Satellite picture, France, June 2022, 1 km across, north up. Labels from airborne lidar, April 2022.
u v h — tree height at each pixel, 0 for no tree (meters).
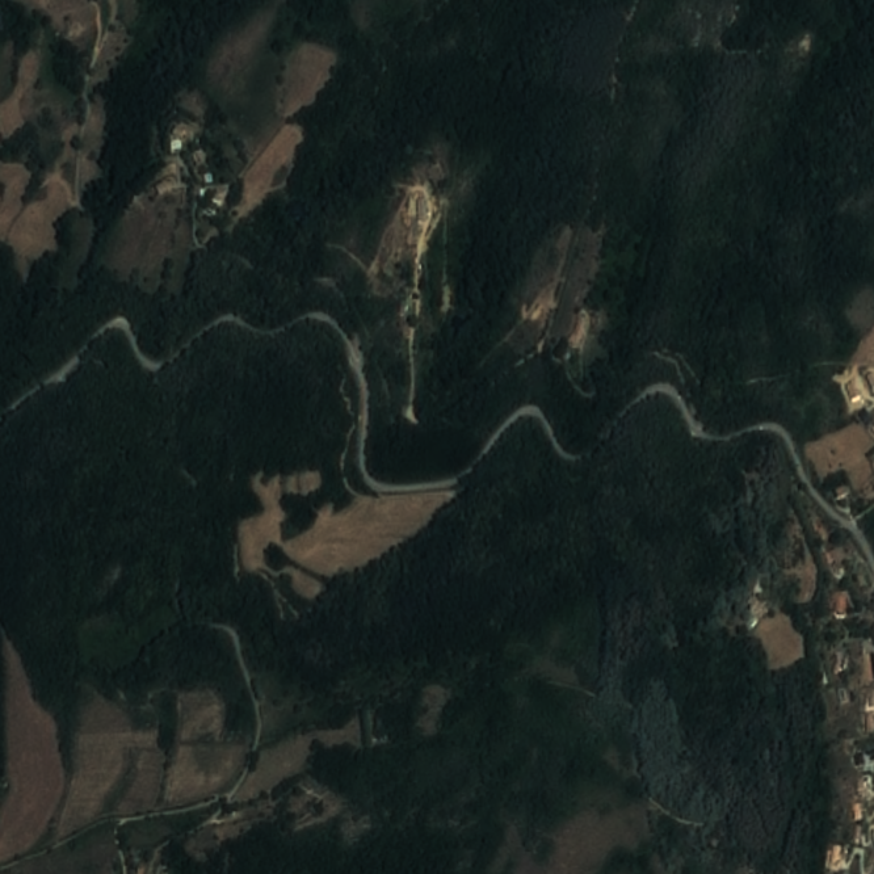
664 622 7
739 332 7
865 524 9
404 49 12
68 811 0
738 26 9
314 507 7
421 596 11
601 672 11
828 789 7
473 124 12
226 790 0
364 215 0
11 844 0
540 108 12
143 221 0
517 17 16
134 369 19
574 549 16
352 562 0
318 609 14
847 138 8
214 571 13
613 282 11
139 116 10
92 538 13
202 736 0
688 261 8
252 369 17
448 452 10
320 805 8
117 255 0
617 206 7
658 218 14
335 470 6
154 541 15
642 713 19
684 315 9
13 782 0
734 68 8
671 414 9
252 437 8
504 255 11
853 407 0
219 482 10
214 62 0
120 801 0
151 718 0
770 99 7
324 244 8
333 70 10
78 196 0
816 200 12
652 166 8
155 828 0
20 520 15
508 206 15
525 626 8
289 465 13
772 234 13
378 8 0
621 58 7
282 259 16
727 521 13
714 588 11
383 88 8
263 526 0
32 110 0
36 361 15
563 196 12
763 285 7
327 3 17
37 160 12
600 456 16
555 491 15
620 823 0
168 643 10
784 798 18
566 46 17
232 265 12
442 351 15
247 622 10
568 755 6
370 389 8
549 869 0
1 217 0
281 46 11
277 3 0
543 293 0
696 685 10
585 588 10
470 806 9
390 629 12
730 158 9
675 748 16
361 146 17
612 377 14
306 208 9
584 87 16
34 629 7
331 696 5
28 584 10
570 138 10
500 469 10
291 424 13
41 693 7
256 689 11
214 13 14
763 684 12
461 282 8
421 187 0
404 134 15
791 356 7
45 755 0
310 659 9
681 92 11
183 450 10
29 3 0
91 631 0
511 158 16
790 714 17
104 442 22
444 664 8
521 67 6
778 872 9
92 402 17
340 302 10
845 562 9
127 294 8
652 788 19
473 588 11
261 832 10
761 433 7
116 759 0
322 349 15
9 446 11
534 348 7
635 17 7
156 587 15
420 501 0
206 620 11
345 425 8
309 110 11
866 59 6
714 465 14
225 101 0
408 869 12
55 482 15
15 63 7
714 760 16
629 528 12
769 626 0
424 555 11
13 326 18
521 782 0
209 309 18
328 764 9
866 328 0
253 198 0
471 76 13
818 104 16
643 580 13
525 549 15
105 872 0
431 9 8
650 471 13
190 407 10
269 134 0
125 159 15
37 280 21
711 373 13
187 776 0
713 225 9
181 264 0
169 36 14
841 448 0
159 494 15
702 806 13
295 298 12
